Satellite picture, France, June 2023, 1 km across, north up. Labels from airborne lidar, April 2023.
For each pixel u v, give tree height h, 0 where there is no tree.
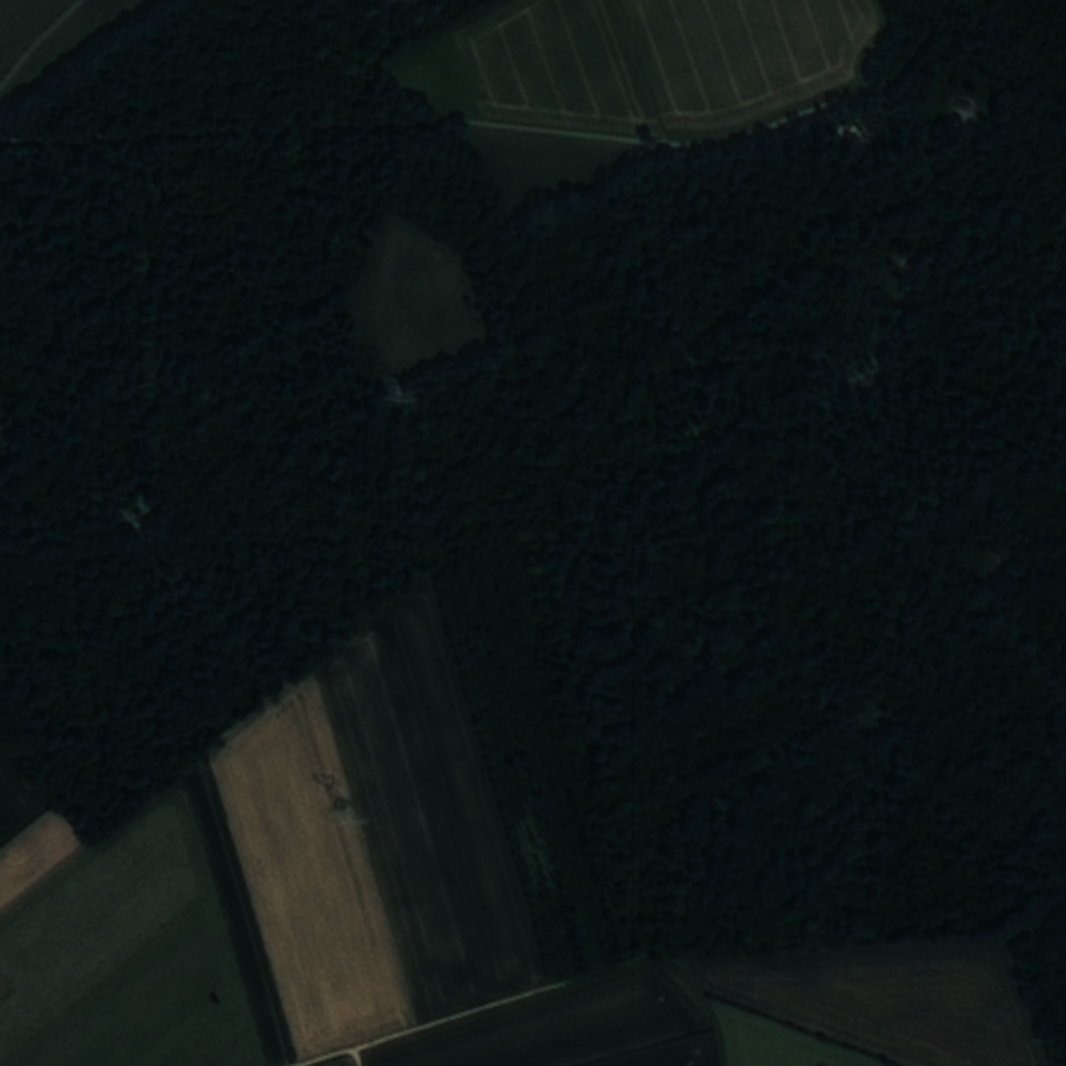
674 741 18
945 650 20
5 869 0
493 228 23
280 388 23
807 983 0
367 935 0
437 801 0
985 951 0
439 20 10
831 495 22
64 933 0
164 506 22
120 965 0
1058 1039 21
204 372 21
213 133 18
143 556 24
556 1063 0
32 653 21
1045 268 20
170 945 0
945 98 0
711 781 22
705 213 24
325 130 17
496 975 0
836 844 25
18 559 24
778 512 21
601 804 13
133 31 22
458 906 0
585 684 15
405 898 0
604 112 0
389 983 0
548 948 11
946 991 0
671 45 0
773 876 26
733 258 26
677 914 22
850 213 24
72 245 16
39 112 20
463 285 0
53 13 0
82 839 17
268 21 22
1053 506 18
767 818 23
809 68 0
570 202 24
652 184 21
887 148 25
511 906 0
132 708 21
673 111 0
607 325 25
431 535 24
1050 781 23
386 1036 0
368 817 0
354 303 0
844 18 0
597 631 23
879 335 21
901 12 20
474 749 0
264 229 22
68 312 20
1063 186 22
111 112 23
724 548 20
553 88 0
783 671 18
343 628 23
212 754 0
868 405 21
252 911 0
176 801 0
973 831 21
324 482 23
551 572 19
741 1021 0
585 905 15
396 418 27
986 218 24
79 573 23
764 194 11
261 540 17
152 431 24
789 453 22
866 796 22
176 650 23
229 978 0
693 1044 0
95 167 21
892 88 13
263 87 21
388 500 20
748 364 26
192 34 21
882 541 22
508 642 15
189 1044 0
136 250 18
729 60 0
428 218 18
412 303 0
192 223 21
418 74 0
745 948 16
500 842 0
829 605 20
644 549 22
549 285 22
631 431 27
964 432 17
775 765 23
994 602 21
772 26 0
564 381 28
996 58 24
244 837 0
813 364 23
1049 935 22
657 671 24
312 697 0
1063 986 22
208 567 22
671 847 22
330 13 23
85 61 20
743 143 21
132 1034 0
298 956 0
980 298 20
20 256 21
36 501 20
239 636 23
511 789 14
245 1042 0
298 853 0
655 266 22
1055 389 19
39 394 18
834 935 19
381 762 0
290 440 22
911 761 24
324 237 24
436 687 0
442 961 0
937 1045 0
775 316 25
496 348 25
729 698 23
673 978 0
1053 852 21
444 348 0
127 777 20
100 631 21
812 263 26
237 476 23
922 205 24
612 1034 0
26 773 16
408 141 23
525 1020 0
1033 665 18
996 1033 0
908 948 0
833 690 20
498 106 0
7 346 22
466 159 20
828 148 22
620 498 23
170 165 17
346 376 13
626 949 7
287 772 0
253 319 14
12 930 0
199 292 17
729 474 22
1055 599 19
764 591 18
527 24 0
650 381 13
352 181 24
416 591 0
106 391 19
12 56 0
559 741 10
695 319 22
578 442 22
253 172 21
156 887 0
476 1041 0
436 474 25
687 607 23
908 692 19
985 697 20
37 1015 0
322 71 21
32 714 21
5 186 22
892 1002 0
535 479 24
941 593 23
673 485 25
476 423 22
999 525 22
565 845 15
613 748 26
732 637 26
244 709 6
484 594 14
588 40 0
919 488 24
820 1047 0
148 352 20
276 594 27
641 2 0
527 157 0
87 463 20
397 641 0
